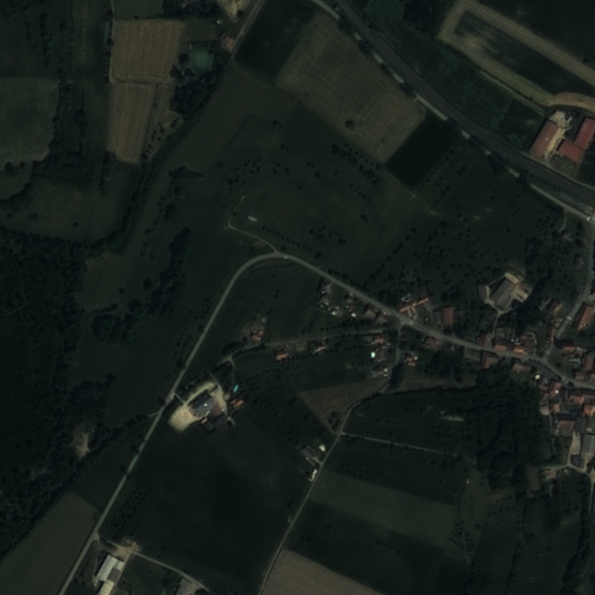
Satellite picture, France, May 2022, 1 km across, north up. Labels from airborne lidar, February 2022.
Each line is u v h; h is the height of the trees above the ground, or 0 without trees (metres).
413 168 0
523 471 20
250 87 0
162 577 0
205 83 9
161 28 0
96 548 0
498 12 0
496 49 0
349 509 0
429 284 9
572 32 0
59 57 0
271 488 0
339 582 0
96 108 0
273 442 0
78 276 21
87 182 13
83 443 0
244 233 0
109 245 15
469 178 0
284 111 0
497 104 0
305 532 0
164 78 0
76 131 0
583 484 7
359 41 0
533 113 0
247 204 0
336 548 0
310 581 0
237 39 0
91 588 0
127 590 0
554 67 0
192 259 0
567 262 0
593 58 0
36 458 10
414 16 33
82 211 0
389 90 0
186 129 0
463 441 8
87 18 0
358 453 0
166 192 0
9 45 0
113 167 7
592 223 0
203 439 0
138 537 0
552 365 0
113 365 0
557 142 0
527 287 0
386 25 0
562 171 0
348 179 0
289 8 0
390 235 0
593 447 0
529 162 0
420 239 0
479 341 0
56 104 0
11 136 0
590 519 15
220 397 0
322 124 0
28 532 9
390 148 0
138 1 0
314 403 0
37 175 11
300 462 0
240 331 0
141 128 0
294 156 0
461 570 0
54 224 0
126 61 0
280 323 0
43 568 0
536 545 13
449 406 0
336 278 9
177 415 0
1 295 8
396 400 0
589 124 0
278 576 0
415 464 0
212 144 0
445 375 11
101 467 0
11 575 0
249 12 0
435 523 0
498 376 6
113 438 15
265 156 0
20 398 12
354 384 0
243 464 0
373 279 11
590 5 0
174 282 15
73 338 14
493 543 0
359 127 0
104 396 8
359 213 0
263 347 10
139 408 0
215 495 0
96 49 0
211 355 0
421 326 0
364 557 0
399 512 0
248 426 0
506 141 0
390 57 0
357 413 0
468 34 0
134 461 0
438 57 0
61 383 19
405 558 0
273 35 0
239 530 0
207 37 0
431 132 0
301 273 0
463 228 0
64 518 0
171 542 0
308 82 0
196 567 0
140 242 0
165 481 0
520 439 17
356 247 0
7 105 0
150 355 0
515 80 0
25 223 0
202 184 0
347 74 0
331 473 0
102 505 0
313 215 0
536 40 0
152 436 0
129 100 0
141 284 0
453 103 0
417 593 0
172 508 0
